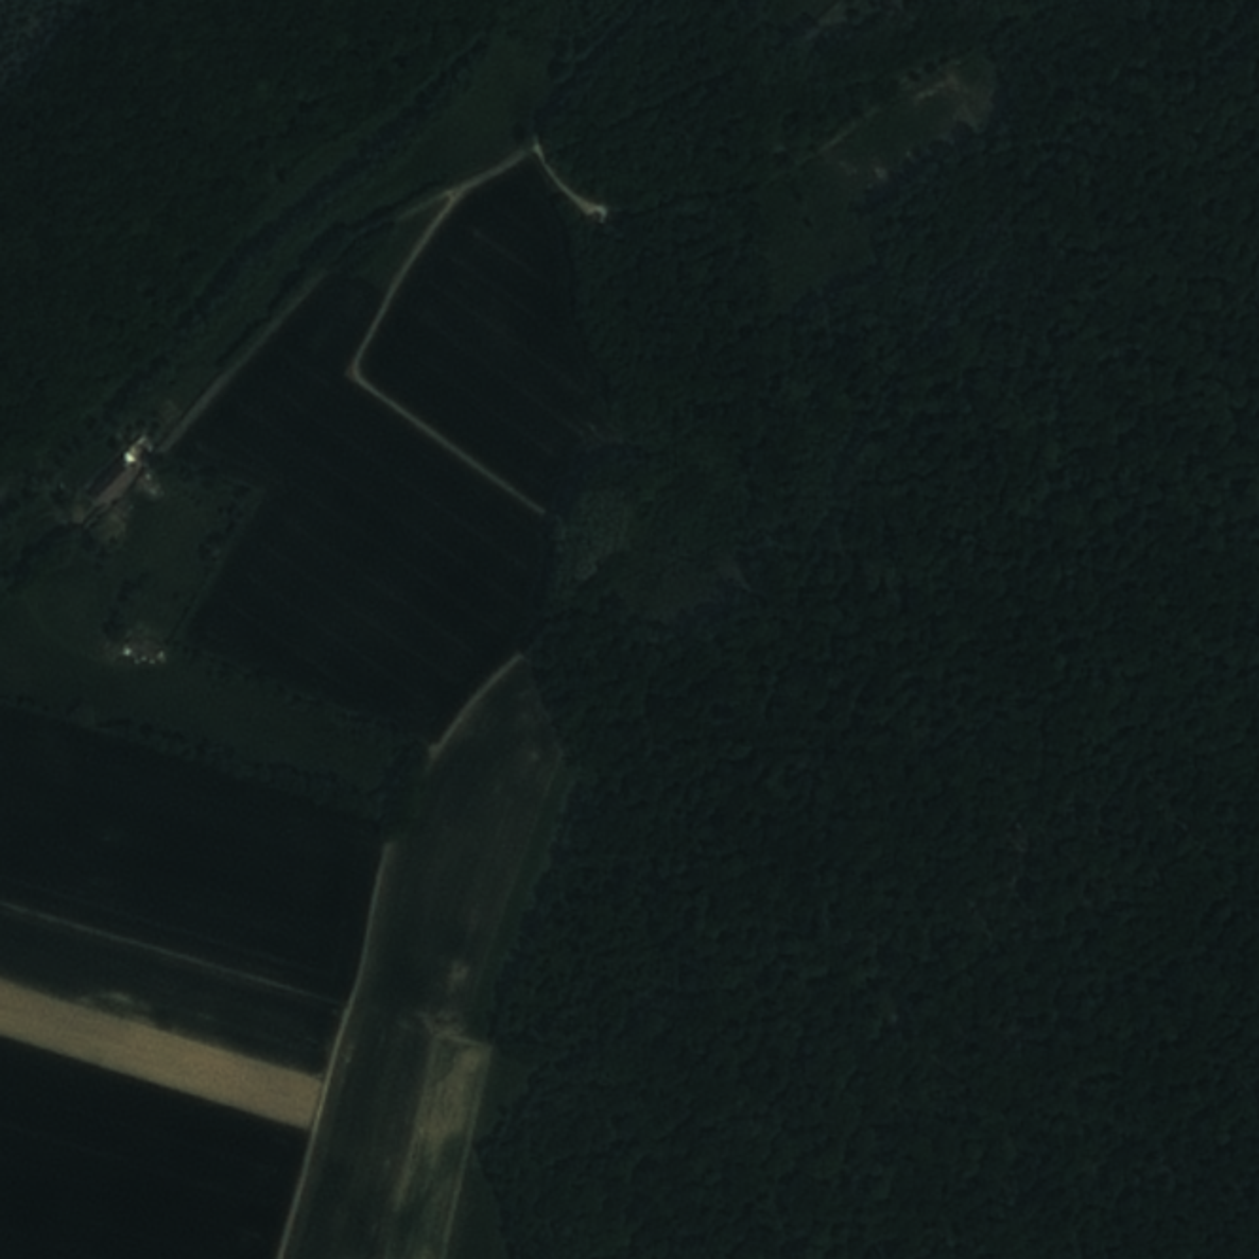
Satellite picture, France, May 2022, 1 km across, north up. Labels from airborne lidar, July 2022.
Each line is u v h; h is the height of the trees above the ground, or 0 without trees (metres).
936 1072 24
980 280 24
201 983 0
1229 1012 23
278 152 25
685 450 24
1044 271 27
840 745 24
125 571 0
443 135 0
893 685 26
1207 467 27
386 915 0
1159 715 24
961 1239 23
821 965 26
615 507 30
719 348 22
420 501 0
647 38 22
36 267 25
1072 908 20
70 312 25
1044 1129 18
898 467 26
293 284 15
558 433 0
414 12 21
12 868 0
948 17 19
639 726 26
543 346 0
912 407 24
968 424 27
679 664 25
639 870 25
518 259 0
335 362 0
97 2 22
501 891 0
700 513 8
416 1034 0
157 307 26
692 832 29
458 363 0
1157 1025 23
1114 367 30
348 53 23
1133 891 25
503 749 0
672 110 19
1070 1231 15
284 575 0
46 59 23
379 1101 0
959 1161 26
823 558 20
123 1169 0
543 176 0
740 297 27
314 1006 0
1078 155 26
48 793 0
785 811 27
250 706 0
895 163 0
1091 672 23
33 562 17
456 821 0
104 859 0
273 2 26
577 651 22
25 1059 0
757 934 25
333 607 0
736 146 25
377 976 0
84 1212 0
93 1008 0
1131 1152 24
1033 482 26
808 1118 28
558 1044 25
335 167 0
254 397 0
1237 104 29
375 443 0
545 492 0
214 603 0
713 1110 25
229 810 0
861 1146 26
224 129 26
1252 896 19
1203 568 27
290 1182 0
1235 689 23
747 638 25
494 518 0
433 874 0
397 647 0
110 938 0
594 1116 25
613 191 19
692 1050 19
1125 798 22
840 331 20
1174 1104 23
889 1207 28
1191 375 29
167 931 0
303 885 0
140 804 0
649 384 18
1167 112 30
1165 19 24
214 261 15
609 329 23
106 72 27
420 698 0
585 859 27
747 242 19
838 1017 24
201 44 27
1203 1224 25
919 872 24
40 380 25
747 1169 22
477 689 0
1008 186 21
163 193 27
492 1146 17
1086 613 19
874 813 25
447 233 0
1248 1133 22
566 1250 21
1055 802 25
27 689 0
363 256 21
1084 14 23
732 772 25
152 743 15
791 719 27
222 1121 0
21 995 0
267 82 28
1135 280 27
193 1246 0
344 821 0
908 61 19
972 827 28
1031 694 22
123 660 0
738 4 13
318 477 0
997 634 27
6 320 25
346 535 0
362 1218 0
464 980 0
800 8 0
